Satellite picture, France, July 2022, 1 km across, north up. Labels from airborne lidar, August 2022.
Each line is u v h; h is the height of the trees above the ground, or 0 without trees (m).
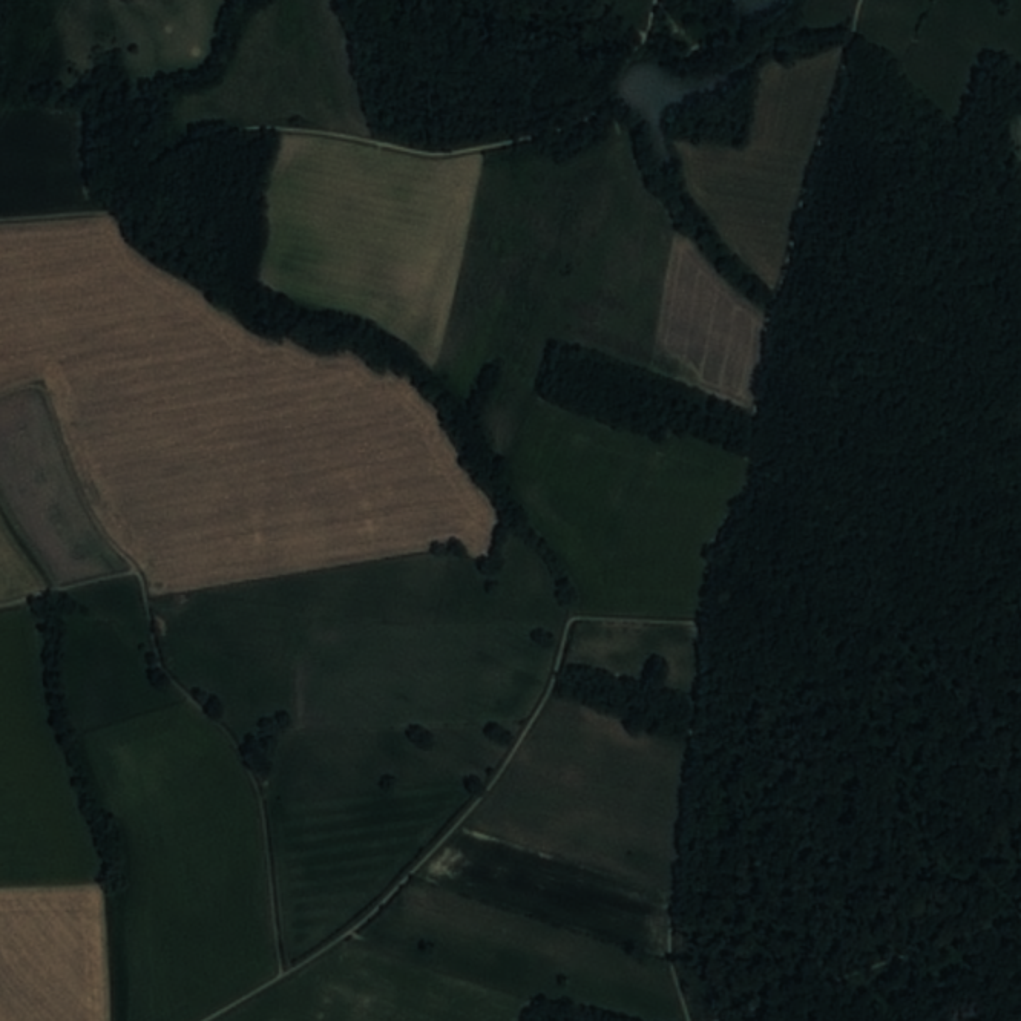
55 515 0
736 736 22
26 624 0
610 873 0
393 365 17
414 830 0
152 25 0
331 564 0
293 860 0
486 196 0
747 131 14
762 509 21
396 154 0
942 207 17
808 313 16
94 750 0
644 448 0
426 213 0
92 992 0
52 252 0
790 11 15
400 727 0
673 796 0
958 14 0
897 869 25
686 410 9
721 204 0
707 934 23
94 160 20
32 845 0
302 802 0
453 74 25
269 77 0
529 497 0
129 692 0
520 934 0
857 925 19
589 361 9
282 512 0
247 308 11
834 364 18
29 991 0
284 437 0
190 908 0
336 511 0
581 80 25
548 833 0
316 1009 0
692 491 0
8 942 0
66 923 0
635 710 11
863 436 19
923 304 19
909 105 17
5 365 0
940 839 21
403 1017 0
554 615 0
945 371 16
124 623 0
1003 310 19
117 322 0
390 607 0
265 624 0
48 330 0
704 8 19
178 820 0
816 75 0
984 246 17
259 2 12
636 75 0
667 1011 0
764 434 17
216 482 0
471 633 0
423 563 0
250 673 0
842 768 26
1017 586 20
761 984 14
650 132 17
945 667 20
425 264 0
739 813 20
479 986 0
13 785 0
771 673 20
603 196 0
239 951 0
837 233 17
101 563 0
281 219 0
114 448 0
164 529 0
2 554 0
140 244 23
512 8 23
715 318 0
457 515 0
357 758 0
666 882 0
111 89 13
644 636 0
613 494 0
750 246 0
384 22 20
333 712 0
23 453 0
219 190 20
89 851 0
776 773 20
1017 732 20
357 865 0
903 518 23
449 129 15
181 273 11
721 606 20
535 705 0
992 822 22
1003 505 22
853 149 18
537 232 0
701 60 20
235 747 0
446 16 27
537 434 0
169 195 22
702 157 0
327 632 0
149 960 0
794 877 21
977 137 20
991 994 22
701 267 0
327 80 0
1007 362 18
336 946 0
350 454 0
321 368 0
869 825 26
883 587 21
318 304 0
